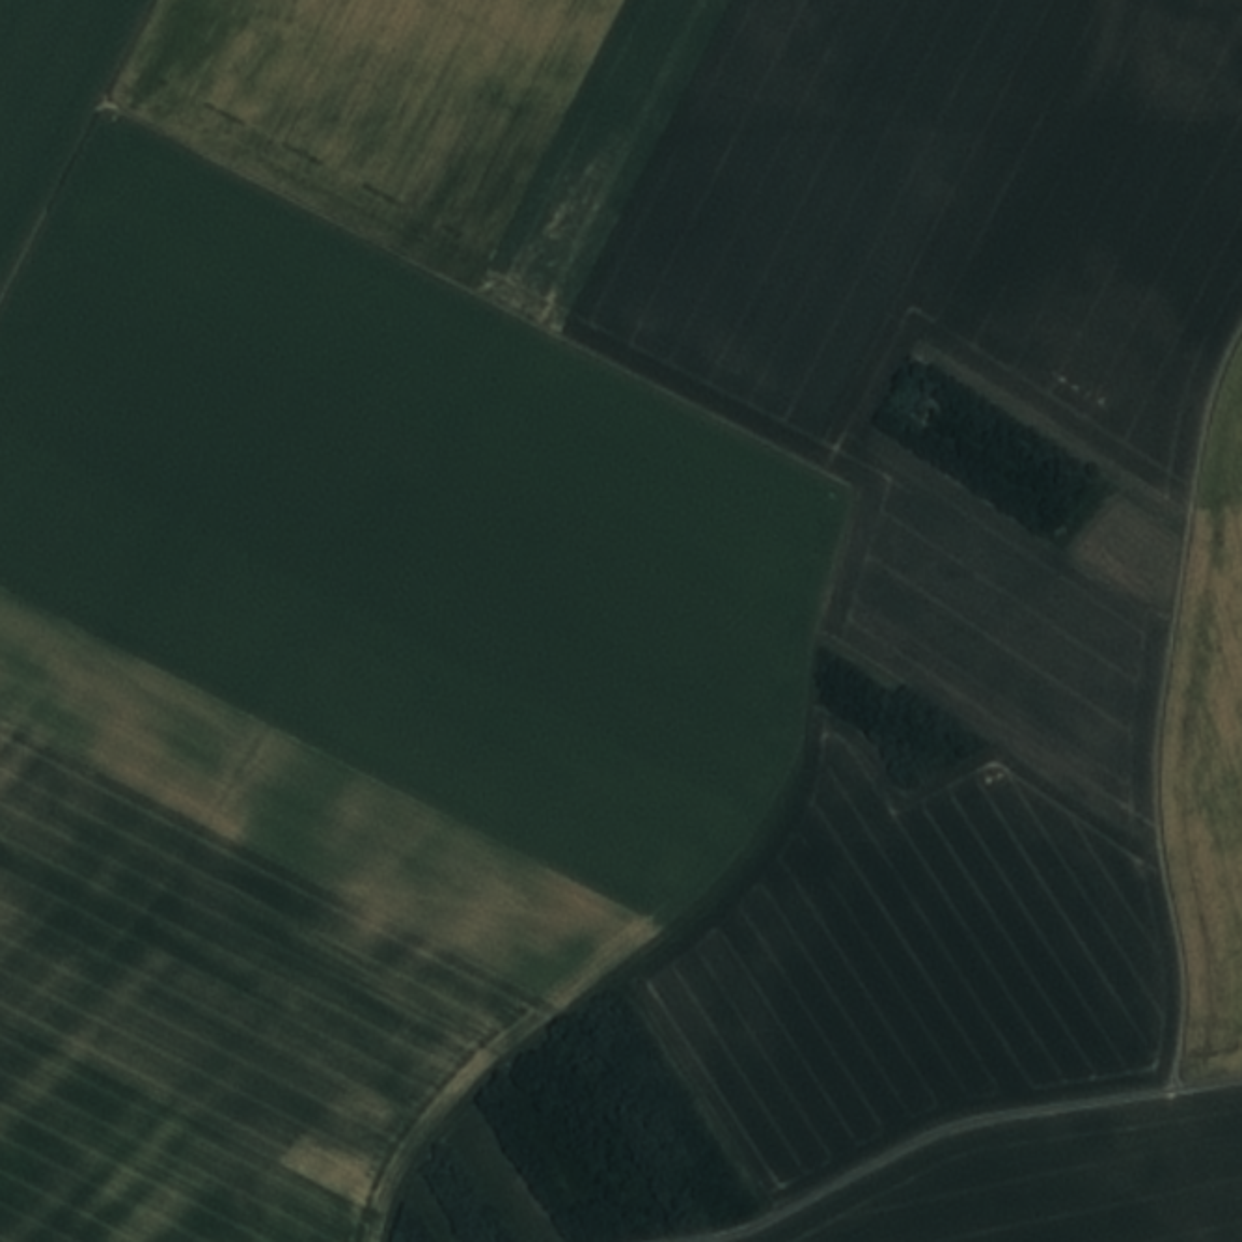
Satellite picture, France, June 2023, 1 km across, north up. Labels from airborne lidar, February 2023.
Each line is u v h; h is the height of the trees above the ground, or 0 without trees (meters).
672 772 0
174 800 0
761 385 0
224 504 0
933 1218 0
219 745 0
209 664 0
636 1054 15
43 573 0
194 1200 0
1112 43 0
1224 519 0
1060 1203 0
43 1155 0
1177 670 0
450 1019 0
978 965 0
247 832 0
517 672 0
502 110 0
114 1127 0
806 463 0
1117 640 0
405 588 0
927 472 0
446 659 0
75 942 0
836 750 0
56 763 0
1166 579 0
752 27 0
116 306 0
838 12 0
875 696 7
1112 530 0
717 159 0
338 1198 0
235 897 0
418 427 0
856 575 0
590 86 0
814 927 0
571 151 0
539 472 0
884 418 10
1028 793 0
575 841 0
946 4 0
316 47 0
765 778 0
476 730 0
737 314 0
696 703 0
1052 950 0
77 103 0
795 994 0
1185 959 0
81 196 0
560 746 0
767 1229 0
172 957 0
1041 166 0
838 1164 0
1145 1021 0
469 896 0
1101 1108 0
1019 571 0
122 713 0
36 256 0
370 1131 0
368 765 0
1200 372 0
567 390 0
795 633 0
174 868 0
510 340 0
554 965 0
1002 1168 0
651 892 0
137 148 0
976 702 0
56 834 0
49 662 0
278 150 0
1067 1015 0
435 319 0
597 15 0
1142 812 0
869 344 0
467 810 0
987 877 0
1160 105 0
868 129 0
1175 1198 0
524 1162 15
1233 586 0
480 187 0
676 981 0
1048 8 0
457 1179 14
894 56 0
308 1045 0
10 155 0
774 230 0
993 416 6
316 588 0
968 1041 0
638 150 0
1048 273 0
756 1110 0
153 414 0
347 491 0
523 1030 0
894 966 0
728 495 0
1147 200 0
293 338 0
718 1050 0
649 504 0
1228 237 0
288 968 0
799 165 0
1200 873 0
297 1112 0
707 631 0
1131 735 0
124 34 0
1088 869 0
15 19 0
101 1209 0
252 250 0
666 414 0
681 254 0
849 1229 0
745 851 0
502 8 0
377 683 0
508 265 0
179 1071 0
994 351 0
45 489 0
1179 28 0
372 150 0
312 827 0
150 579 0
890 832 0
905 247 0
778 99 0
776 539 0
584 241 0
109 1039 0
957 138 0
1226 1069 0
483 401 0
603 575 0
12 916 0
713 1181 10
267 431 0
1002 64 0
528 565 0
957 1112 0
